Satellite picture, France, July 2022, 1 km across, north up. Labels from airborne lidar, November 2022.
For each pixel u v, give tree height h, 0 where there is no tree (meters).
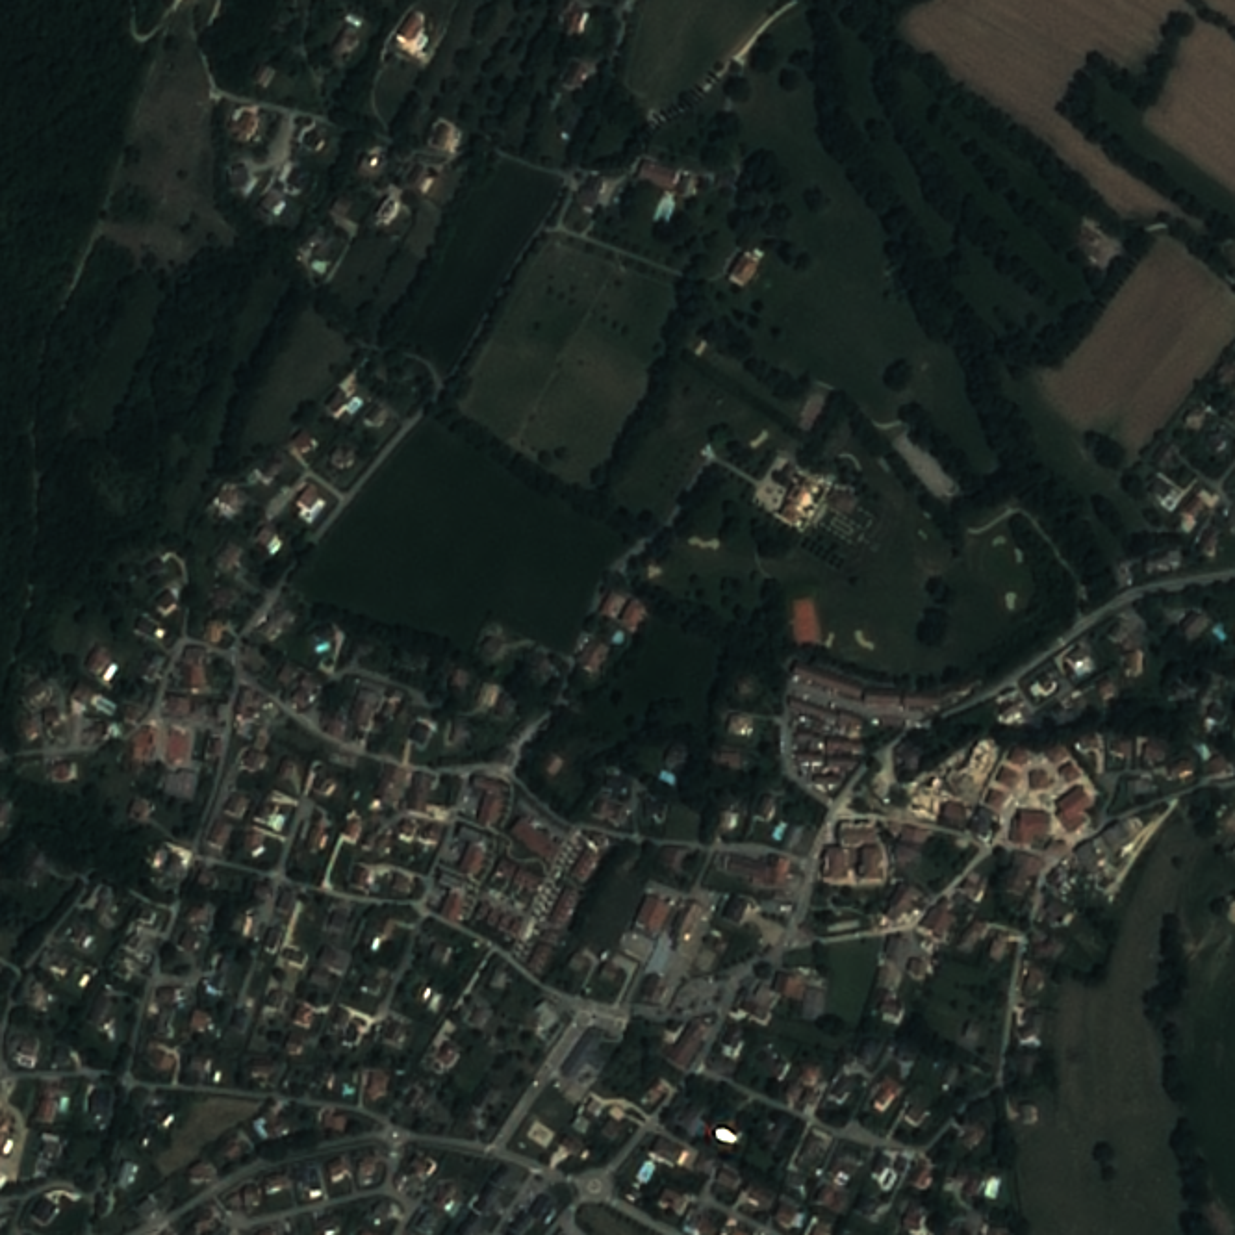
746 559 0
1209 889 0
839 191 0
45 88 14
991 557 0
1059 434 0
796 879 0
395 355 11
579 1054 0
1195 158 0
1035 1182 0
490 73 13
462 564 0
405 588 0
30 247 13
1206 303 0
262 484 0
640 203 14
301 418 13
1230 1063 0
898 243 10
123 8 8
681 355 7
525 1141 0
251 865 7
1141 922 0
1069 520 16
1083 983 8
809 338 0
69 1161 7
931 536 0
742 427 0
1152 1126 0
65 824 13
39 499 6
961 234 13
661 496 0
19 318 13
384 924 0
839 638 0
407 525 0
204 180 0
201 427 18
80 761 0
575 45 15
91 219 11
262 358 17
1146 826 0
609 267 0
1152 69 15
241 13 7
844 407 17
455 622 0
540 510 0
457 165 9
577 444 0
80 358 14
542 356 0
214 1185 0
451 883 0
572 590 0
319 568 0
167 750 0
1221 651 13
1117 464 17
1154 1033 0
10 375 10
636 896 0
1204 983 0
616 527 16
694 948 0
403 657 21
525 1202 0
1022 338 17
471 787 0
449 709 15
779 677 17
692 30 0
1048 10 0
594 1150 12
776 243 11
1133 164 18
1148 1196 0
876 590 0
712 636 17
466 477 0
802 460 12
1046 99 0
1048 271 0
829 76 25
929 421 20
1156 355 0
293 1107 7
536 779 14
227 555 0
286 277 13
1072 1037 0
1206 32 0
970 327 24
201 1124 0
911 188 0
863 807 12
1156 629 17
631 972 0
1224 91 0
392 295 0
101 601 14
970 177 0
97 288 6
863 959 0
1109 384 0
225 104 6
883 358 0
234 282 17
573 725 8
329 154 0
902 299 6
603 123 7
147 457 14
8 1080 0
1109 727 15
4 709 13
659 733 21
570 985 7
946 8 0
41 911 7
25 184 9
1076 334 19
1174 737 14
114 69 13
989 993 7
